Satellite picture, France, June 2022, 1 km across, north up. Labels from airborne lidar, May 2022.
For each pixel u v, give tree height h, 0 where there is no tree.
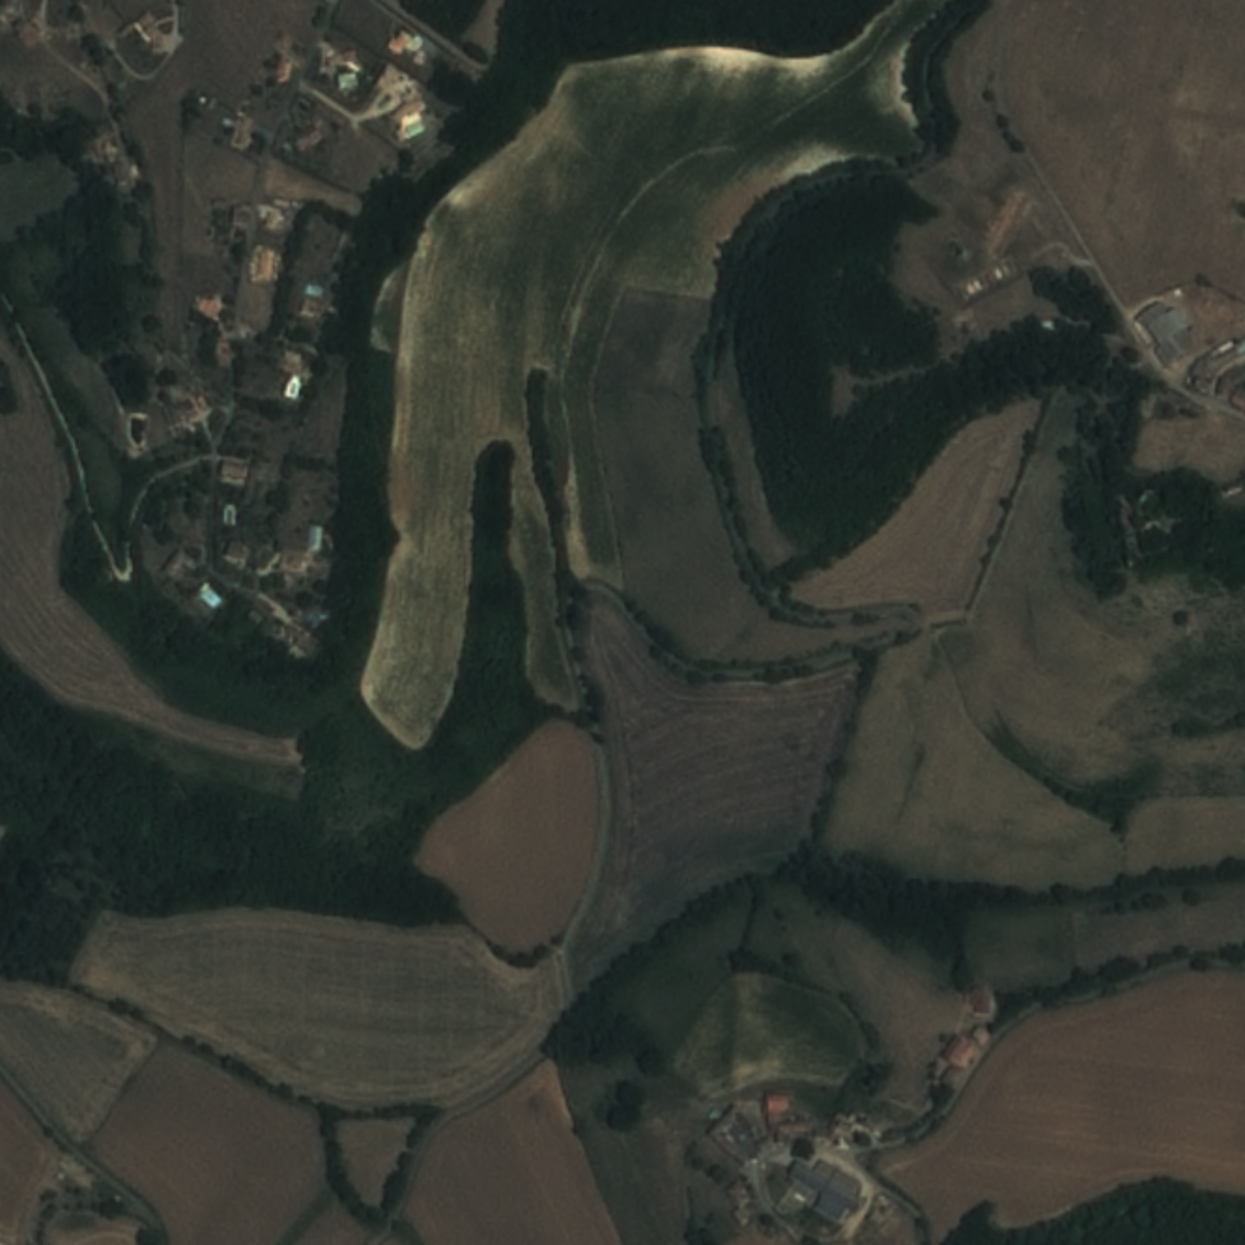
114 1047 0
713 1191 0
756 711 0
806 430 14
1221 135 0
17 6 0
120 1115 0
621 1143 0
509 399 0
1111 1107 0
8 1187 0
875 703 0
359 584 17
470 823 0
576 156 0
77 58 0
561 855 0
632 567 0
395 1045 0
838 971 0
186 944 0
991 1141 0
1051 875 0
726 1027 0
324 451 0
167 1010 0
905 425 13
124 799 13
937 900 23
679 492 0
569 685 0
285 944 0
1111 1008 0
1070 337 13
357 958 0
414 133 0
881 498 12
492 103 10
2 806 9
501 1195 0
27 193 0
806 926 0
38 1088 0
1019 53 0
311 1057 0
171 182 0
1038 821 0
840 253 10
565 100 0
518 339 0
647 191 0
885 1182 6
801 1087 0
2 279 12
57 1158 0
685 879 0
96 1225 0
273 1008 0
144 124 0
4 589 0
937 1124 8
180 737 0
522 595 12
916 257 0
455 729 6
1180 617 13
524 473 0
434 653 0
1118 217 0
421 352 0
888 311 8
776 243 11
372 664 0
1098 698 0
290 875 11
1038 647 0
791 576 14
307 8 0
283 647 7
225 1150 0
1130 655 0
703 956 0
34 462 0
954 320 0
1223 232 0
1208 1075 0
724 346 11
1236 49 0
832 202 14
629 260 0
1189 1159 0
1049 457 0
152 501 8
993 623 0
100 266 17
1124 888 12
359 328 13
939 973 0
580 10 19
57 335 0
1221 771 0
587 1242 0
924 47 9
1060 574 0
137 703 0
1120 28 0
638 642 0
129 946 0
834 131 0
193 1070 0
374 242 16
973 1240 13
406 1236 0
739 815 0
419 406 0
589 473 0
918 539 0
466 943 0
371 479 9
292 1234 0
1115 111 0
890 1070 9
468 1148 0
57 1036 0
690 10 16
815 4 9
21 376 0
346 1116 13
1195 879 11
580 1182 0
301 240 8
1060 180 0
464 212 0
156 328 10
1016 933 0
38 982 13
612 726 0
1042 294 8
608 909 0
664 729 0
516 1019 0
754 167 0
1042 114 0
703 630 0
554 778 0
